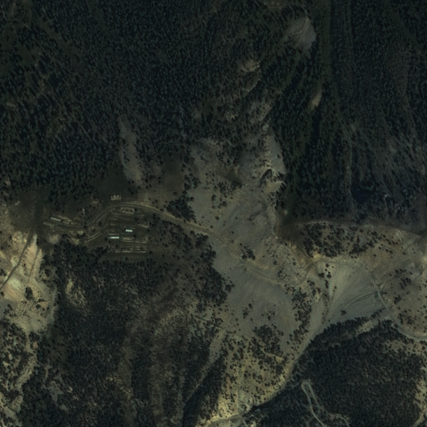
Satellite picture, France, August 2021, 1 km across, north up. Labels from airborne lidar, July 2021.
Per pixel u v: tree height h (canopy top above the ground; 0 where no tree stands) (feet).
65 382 39
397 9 28
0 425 33
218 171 0
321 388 28
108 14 66
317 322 0
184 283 0
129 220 0
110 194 0
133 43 55
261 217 0
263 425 37
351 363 33
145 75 20
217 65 48
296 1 75
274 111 25
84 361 26
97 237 0
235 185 20
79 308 21
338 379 36
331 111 36
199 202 0
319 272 0
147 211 0
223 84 26
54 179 33
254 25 65
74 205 0
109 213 0
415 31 41
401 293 0
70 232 0
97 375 42
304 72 72
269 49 83
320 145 60
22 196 0
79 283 37
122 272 33
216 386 33
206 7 37
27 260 0
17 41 21
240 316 0
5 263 0
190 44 40
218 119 29
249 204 0
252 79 31
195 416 33
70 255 38
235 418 0
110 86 35
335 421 36
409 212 0
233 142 34
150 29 49
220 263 0
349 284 0
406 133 23
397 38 20
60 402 28
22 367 24
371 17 36
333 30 26
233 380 34
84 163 39
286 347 0
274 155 0
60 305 53
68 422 21
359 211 0
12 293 0
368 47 24
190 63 62
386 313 0
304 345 0
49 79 79
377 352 23
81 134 55
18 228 0
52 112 95
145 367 34
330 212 29
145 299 18
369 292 0
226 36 19
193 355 40
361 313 0
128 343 0
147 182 30
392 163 0
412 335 0
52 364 35
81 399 32
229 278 0
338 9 22
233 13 30
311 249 23
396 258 0
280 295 0
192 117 29
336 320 0
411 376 24
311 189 63
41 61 0
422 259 0
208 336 19
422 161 0
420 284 0
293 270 0
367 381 26
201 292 32
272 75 71
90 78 21
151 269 24
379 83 25
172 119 31
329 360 42
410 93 22
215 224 0
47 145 68
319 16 22
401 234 0
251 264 0
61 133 0
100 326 37
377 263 0
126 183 0
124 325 36
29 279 0
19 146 80
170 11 35
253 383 0
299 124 68
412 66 32
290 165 56
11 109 0
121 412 26
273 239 0
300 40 0
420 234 0
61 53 51
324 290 0
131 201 0
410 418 26
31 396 28
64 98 93
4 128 73
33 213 0
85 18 31
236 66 31
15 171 64
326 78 23
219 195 0
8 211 0
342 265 0
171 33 38
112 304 34
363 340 37
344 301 0
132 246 0
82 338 46
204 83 50
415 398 28
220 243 0
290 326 0
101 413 46
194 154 0
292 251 0
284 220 0
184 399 26
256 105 0
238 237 0
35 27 26
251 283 0
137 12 42
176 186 0
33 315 0
